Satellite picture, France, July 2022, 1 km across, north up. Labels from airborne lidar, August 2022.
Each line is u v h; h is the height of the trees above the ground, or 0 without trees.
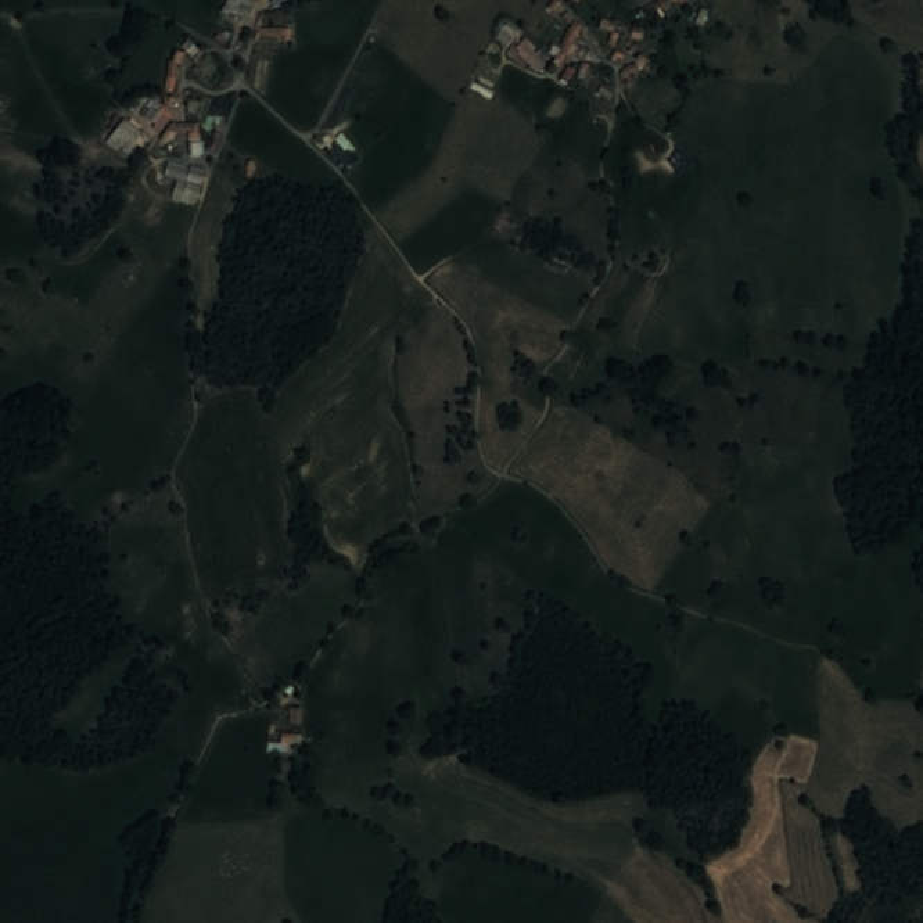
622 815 0
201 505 0
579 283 0
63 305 0
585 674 8
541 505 0
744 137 0
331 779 0
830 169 0
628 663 11
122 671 0
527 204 0
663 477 0
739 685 0
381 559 19
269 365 9
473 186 0
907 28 0
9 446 22
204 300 0
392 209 0
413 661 0
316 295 10
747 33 0
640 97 0
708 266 0
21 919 0
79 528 8
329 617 0
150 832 17
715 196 0
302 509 14
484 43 0
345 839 0
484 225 0
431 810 0
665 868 0
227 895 0
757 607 0
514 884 0
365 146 0
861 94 0
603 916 0
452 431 12
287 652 0
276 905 0
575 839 0
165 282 0
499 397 0
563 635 6
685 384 0
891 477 7
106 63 0
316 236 16
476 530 0
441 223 0
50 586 7
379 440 0
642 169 0
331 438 0
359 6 0
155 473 0
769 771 0
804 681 0
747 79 0
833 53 0
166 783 0
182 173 0
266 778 0
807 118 0
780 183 0
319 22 0
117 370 0
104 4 0
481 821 0
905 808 0
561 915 0
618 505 0
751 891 0
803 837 0
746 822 16
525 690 7
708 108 0
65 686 10
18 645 12
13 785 0
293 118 0
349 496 0
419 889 19
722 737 13
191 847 0
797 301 0
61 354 0
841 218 0
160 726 8
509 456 0
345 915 0
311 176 0
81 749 12
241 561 0
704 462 0
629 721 7
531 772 7
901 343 19
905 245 0
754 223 0
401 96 0
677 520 0
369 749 0
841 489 14
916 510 16
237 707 0
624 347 0
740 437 0
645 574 0
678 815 12
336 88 0
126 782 0
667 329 0
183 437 0
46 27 0
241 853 0
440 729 7
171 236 0
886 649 0
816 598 0
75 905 0
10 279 9
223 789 0
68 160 15
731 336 0
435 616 0
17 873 0
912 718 0
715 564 0
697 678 0
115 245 0
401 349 10
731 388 12
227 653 0
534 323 0
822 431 0
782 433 0
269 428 0
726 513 0
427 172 0
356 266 11
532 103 0
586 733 6
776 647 0
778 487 0
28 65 0
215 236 0
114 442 0
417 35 0
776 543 0
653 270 12
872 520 15
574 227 0
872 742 0
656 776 16
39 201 8
